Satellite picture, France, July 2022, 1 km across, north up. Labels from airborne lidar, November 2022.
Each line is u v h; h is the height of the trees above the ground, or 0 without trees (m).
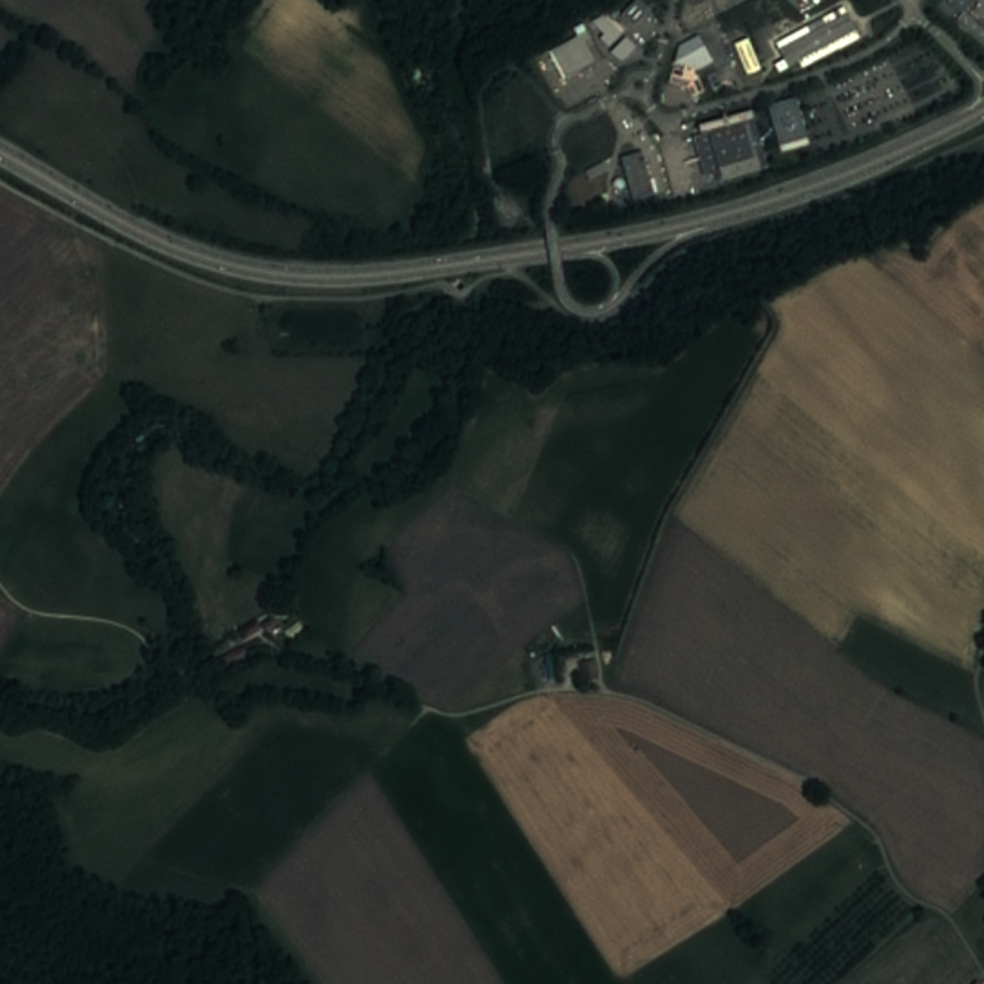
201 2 10
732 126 0
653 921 0
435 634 0
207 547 0
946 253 0
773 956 0
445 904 0
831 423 0
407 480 15
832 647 0
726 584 0
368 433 8
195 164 13
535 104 0
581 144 0
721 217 0
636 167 0
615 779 0
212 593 0
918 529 0
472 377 26
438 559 0
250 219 0
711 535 0
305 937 0
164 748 0
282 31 0
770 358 0
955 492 0
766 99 14
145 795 0
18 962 21
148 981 24
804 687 0
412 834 0
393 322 10
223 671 6
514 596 0
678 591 0
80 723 17
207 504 0
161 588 17
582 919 0
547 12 23
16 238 0
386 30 17
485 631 0
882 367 0
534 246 0
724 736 0
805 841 0
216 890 0
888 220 26
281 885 0
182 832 0
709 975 0
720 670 0
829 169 0
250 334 0
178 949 22
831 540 0
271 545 0
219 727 0
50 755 0
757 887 0
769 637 0
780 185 0
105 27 0
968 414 0
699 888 0
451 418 20
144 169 0
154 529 15
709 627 0
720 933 0
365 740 0
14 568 0
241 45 0
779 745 0
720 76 0
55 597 0
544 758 0
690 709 0
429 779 0
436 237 18
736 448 0
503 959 0
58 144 0
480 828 0
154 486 20
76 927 26
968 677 0
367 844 0
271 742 0
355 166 0
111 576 0
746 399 0
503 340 15
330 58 0
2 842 9
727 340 0
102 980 24
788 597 0
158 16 10
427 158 0
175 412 21
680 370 0
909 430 0
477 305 8
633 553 0
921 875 0
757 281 31
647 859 0
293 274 0
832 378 0
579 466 0
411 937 0
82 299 0
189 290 0
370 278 0
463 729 0
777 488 0
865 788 0
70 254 0
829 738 0
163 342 0
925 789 0
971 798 0
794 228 23
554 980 0
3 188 0
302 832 0
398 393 16
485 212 11
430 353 19
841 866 0
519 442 0
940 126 0
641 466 0
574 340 25
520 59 12
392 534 0
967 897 0
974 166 27
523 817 0
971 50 15
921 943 0
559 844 0
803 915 0
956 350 0
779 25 0
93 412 0
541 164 9
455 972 0
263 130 0
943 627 0
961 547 0
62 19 0
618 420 0
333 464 12
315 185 0
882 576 0
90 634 0
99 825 0
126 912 23
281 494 17
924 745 0
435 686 0
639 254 8
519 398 0
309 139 0
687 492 0
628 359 18
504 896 0
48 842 25
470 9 17
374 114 0
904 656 0
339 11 12
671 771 0
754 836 0
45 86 0
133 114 18
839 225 11
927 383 0
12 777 13
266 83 0
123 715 21
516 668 0
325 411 0
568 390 0
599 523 0
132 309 0
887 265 0
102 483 22
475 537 0
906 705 0
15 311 0
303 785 0
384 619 0
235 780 0
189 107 0
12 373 0
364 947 0
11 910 22
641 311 29
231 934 20
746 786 0
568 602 0
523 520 0
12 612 0
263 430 0
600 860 0
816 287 0
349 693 0
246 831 0
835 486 0
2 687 15
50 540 0
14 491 0
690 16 0
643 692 0
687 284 30
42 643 0
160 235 0
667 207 13
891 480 0
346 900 0
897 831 0
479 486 0
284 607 24
